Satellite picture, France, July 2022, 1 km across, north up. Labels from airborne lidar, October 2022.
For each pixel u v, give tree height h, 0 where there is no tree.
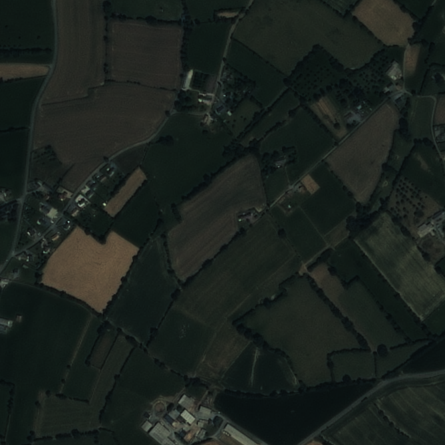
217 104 0
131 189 0
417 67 0
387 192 0
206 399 0
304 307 0
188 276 0
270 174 7
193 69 0
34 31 0
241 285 0
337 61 8
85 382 0
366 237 0
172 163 0
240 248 0
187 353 0
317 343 0
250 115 0
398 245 0
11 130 12
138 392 0
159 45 0
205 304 0
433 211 0
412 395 0
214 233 0
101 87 0
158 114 0
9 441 0
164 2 0
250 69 0
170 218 0
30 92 0
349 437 0
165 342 0
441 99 0
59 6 0
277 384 0
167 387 0
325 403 0
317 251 0
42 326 0
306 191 0
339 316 10
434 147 12
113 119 0
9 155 0
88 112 0
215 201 0
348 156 0
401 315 0
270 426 0
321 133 0
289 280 10
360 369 0
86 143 0
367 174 0
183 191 0
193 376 0
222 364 0
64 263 0
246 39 0
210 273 0
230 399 0
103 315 9
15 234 0
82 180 0
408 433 0
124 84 0
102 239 16
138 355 0
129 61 0
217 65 0
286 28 0
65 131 0
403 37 0
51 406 0
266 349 16
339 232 0
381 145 0
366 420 0
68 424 0
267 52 0
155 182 0
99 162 0
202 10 0
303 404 0
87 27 0
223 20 15
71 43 0
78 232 0
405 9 14
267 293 0
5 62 0
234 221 0
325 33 0
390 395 0
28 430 0
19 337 0
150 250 0
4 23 0
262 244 0
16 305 0
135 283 0
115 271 0
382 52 11
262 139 6
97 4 0
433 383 0
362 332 0
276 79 0
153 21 20
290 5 0
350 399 0
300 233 0
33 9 0
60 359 0
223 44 0
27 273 0
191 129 0
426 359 0
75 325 0
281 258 0
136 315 0
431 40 0
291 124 0
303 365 0
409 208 0
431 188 0
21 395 0
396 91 0
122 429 0
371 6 0
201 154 0
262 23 0
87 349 0
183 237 0
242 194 0
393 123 0
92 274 0
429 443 0
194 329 0
